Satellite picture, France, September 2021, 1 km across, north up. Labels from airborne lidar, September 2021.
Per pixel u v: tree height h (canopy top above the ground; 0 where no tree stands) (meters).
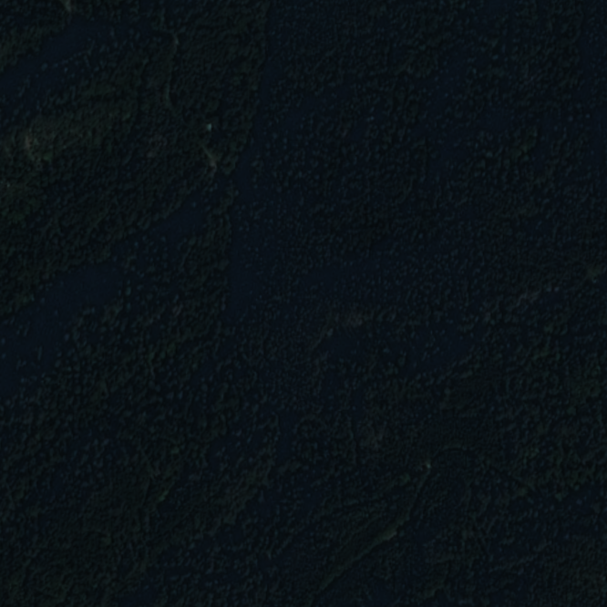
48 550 11
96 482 30
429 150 29
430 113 33
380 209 31
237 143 34
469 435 18
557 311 29
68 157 12
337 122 37
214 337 27
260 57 31
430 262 30
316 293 31
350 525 11
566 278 23
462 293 30
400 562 10
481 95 14
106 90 9
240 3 37
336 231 19
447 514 14
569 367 13
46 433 25
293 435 35
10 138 30
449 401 14
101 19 24
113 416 25
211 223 10
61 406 20
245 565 27
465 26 36
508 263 26
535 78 34
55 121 15
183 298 20
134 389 14
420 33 38
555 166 26
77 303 6
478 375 16
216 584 14
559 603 18
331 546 9
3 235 11
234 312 25
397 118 33
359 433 27
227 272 13
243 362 11
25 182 24
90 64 18
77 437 20
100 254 25
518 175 16
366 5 33
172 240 16
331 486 6
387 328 7
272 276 33
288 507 14
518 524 11
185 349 14
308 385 32
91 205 22
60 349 14
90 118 23
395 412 9
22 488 25
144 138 33
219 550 7
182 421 12
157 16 37
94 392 24
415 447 14
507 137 34
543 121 29
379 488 15
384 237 19
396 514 17
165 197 20
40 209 14
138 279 24
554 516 20
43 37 15
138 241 6
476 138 33
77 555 22
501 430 9
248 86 25
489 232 27
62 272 32
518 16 27
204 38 35
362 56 35
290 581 18
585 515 11
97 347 18
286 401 32
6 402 17
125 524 23
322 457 25
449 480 16
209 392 15
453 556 7
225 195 40
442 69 37
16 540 11
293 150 38
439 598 9
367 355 7
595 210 18
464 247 27
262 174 17
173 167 34
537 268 25
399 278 30
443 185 24
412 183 21
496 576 12
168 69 17
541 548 33
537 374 17
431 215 21
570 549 22
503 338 9
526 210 40
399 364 27
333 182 22
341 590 15
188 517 9
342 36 37
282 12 29
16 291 14
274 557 12
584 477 21
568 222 27
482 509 19
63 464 22
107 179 25
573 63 36
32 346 9
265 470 35
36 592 11
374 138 29
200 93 30
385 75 28
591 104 29
